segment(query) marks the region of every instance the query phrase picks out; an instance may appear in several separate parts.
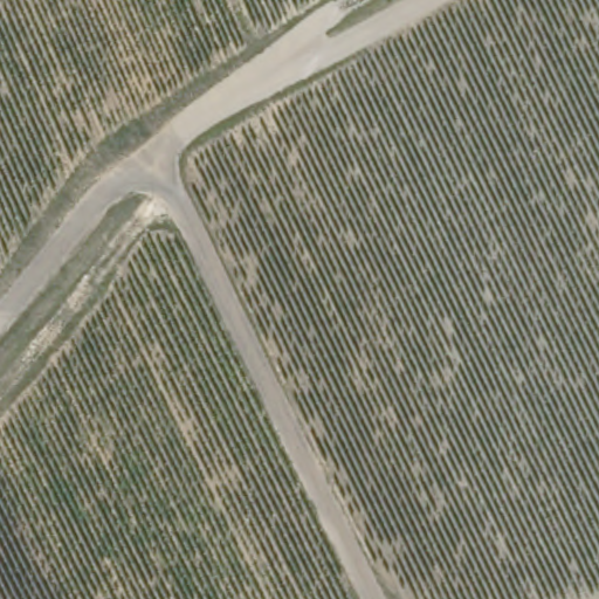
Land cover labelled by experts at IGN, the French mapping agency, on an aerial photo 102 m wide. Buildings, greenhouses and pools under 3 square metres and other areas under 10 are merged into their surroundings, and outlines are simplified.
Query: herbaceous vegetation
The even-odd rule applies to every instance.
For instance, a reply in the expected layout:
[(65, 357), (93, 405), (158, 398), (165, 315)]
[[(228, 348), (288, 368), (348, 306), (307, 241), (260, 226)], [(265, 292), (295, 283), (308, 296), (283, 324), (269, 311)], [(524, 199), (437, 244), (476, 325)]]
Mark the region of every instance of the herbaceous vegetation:
[(37, 292), (37, 297), (0, 335), (0, 456), (7, 454), (7, 447), (12, 447), (12, 442), (5, 435), (5, 426), (19, 416), (21, 402), (26, 402), (30, 395), (42, 398), (42, 379), (51, 367), (58, 365), (58, 360), (66, 353), (82, 344), (82, 332), (89, 325), (89, 321), (115, 292), (115, 285), (122, 278), (126, 278), (129, 262), (143, 248), (145, 227), (159, 220), (166, 206), (161, 197), (143, 204), (140, 194), (129, 194), (119, 204), (110, 206), (103, 220), (77, 243), (75, 253), (61, 264), (56, 276), (51, 276), (47, 288)]
[(398, 0), (370, 0), (358, 9), (349, 12), (346, 16), (342, 16), (335, 26), (330, 26), (328, 37), (349, 30), (351, 26), (386, 9)]

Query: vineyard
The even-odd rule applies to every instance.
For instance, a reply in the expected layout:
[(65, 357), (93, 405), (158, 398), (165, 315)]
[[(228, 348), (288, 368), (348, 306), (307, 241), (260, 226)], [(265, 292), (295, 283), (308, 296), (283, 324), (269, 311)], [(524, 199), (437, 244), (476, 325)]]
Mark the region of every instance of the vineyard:
[(321, 526), (314, 503), (309, 501), (302, 482), (297, 480), (292, 461), (285, 454), (278, 433), (274, 431), (274, 424), (264, 409), (260, 391), (255, 388), (243, 358), (239, 356), (229, 332), (222, 325), (220, 311), (197, 269), (197, 262), (187, 243), (180, 236), (180, 229), (171, 220), (159, 220), (145, 227), (143, 248), (129, 262), (126, 278), (122, 278), (115, 285), (115, 292), (89, 321), (89, 325), (82, 332), (82, 344), (66, 353), (58, 360), (58, 365), (51, 367), (42, 379), (42, 398), (30, 395), (26, 402), (21, 402), (19, 416), (5, 426), (5, 435), (12, 442), (12, 447), (7, 447), (7, 454), (0, 456), (0, 599), (358, 599), (351, 583), (342, 576), (342, 562), (328, 533)]
[(309, 77), (292, 82), (281, 91), (220, 119), (218, 124), (208, 126), (197, 138), (192, 138), (183, 147), (178, 159), (180, 183), (185, 192), (192, 197), (204, 220), (204, 232), (215, 248), (218, 262), (229, 278), (229, 285), (243, 309), (243, 316), (255, 328), (262, 358), (276, 377), (283, 395), (288, 395), (302, 414), (302, 433), (316, 442), (323, 459), (330, 459), (335, 463), (332, 484), (339, 489), (342, 496), (349, 498), (349, 515), (365, 510), (365, 548), (372, 559), (370, 569), (386, 599), (599, 599), (599, 0), (454, 0), (435, 14), (426, 16), (419, 26), (405, 28), (398, 35), (386, 37), (381, 44), (358, 49), (311, 73)]
[(253, 61), (267, 47), (278, 42), (285, 33), (290, 33), (295, 26), (300, 26), (304, 19), (309, 19), (314, 12), (323, 9), (335, 0), (0, 0), (0, 297), (9, 290), (12, 281), (21, 276), (21, 271), (33, 262), (42, 243), (47, 241), (47, 234), (61, 225), (63, 213), (94, 185), (98, 173), (115, 164), (122, 154), (145, 143), (173, 115), (178, 115), (199, 96), (204, 96), (211, 87), (229, 77), (236, 68)]

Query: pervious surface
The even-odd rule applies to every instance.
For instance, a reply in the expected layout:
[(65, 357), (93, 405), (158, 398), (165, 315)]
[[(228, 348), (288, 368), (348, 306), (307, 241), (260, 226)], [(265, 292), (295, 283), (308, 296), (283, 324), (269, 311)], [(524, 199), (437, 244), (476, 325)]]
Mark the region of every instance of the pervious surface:
[(288, 395), (283, 395), (276, 377), (262, 358), (255, 328), (243, 316), (243, 309), (229, 285), (229, 278), (218, 262), (215, 248), (204, 232), (204, 220), (192, 197), (185, 192), (180, 183), (178, 159), (183, 147), (192, 138), (197, 138), (208, 126), (218, 124), (220, 119), (281, 91), (292, 82), (309, 77), (311, 73), (358, 49), (381, 44), (386, 37), (398, 35), (405, 28), (419, 26), (426, 16), (435, 14), (454, 0), (398, 0), (386, 9), (351, 26), (349, 30), (328, 37), (330, 26), (335, 26), (342, 16), (346, 16), (349, 12), (358, 9), (370, 0), (335, 0), (323, 9), (314, 12), (309, 19), (304, 19), (300, 26), (295, 26), (290, 33), (285, 33), (278, 42), (267, 47), (253, 61), (236, 68), (229, 77), (211, 87), (204, 96), (199, 96), (178, 115), (173, 115), (145, 143), (122, 154), (115, 164), (98, 173), (94, 185), (63, 213), (61, 225), (47, 234), (47, 241), (42, 243), (33, 262), (21, 271), (21, 276), (12, 281), (9, 290), (0, 297), (0, 335), (37, 297), (37, 292), (47, 288), (51, 276), (56, 276), (61, 264), (75, 253), (77, 243), (103, 220), (110, 206), (119, 204), (129, 194), (140, 194), (143, 204), (161, 197), (166, 206), (159, 220), (171, 220), (180, 229), (180, 236), (187, 243), (197, 262), (197, 269), (220, 311), (222, 325), (229, 332), (239, 356), (243, 358), (255, 388), (260, 391), (264, 409), (274, 424), (274, 431), (278, 433), (285, 454), (292, 461), (297, 480), (302, 482), (309, 501), (314, 503), (321, 526), (328, 533), (342, 562), (342, 576), (351, 583), (358, 599), (386, 599), (370, 569), (372, 559), (365, 548), (365, 510), (349, 515), (349, 498), (342, 496), (339, 489), (332, 484), (335, 463), (330, 459), (323, 459), (316, 442), (302, 433), (302, 414)]

